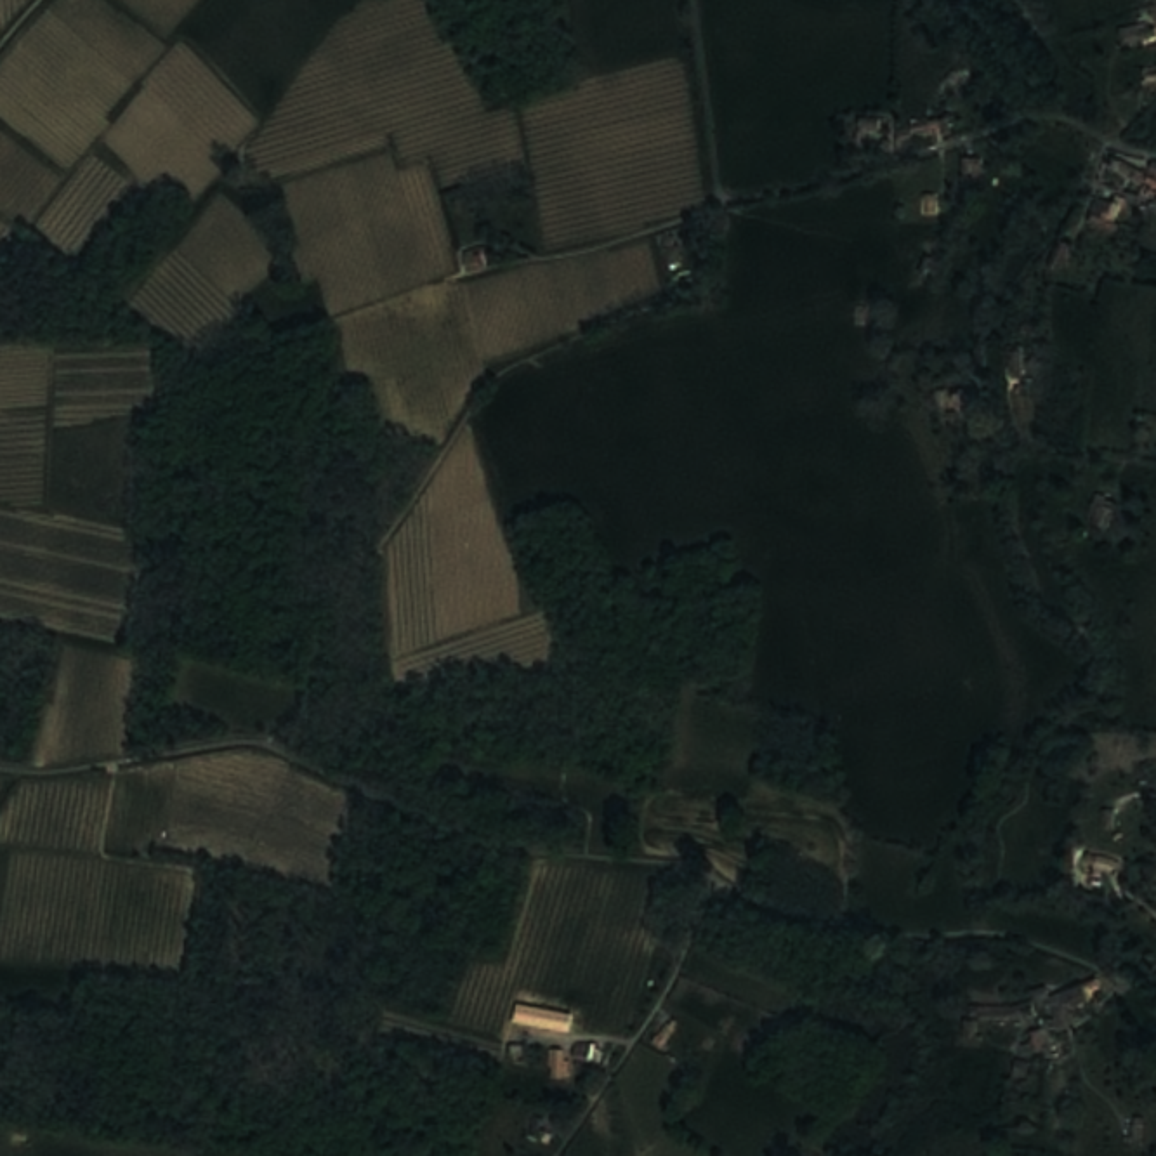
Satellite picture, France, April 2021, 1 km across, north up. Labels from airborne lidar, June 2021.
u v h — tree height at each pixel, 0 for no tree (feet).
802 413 0
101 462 0
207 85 0
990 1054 0
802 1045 79
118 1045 70
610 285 0
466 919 88
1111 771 0
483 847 82
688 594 61
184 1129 81
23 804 0
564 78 81
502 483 0
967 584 0
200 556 84
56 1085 72
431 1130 75
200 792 0
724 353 0
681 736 50
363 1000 72
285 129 0
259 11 0
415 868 77
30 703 54
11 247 26
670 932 54
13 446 0
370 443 62
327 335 53
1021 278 21
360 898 64
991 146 26
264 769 0
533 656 0
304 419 85
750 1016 0
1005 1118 24
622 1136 0
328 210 0
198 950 53
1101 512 0
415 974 75
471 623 0
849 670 0
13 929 0
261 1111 69
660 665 54
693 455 0
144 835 0
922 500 0
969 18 59
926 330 0
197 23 0
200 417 89
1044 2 58
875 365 0
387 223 0
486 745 79
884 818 0
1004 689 0
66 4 0
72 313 69
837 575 0
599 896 0
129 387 0
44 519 0
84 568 0
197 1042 61
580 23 0
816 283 0
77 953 0
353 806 42
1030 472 0
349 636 41
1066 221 20
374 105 0
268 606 90
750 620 70
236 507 79
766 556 0
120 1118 63
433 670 0
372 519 50
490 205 45
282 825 0
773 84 0
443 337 0
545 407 0
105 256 54
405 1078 72
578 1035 0
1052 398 23
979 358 33
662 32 0
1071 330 0
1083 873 0
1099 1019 20
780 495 0
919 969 52
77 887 0
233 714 0
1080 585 51
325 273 0
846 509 0
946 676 0
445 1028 0
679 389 0
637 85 0
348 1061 61
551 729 56
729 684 36
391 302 0
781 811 0
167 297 0
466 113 0
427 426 0
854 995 79
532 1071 0
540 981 0
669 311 54
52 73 0
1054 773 53
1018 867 0
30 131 0
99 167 0
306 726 55
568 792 0
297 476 75
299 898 40
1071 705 60
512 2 78
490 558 0
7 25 0
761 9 0
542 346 0
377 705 47
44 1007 68
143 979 64
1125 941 27
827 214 0
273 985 71
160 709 53
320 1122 73
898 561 0
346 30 0
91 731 0
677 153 0
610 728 60
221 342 66
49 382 0
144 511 71
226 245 0
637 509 0
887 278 0
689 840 0
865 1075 73
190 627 70
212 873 51
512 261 48
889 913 0
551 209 0
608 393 0
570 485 0
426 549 0
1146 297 0
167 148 0
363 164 0
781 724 50
